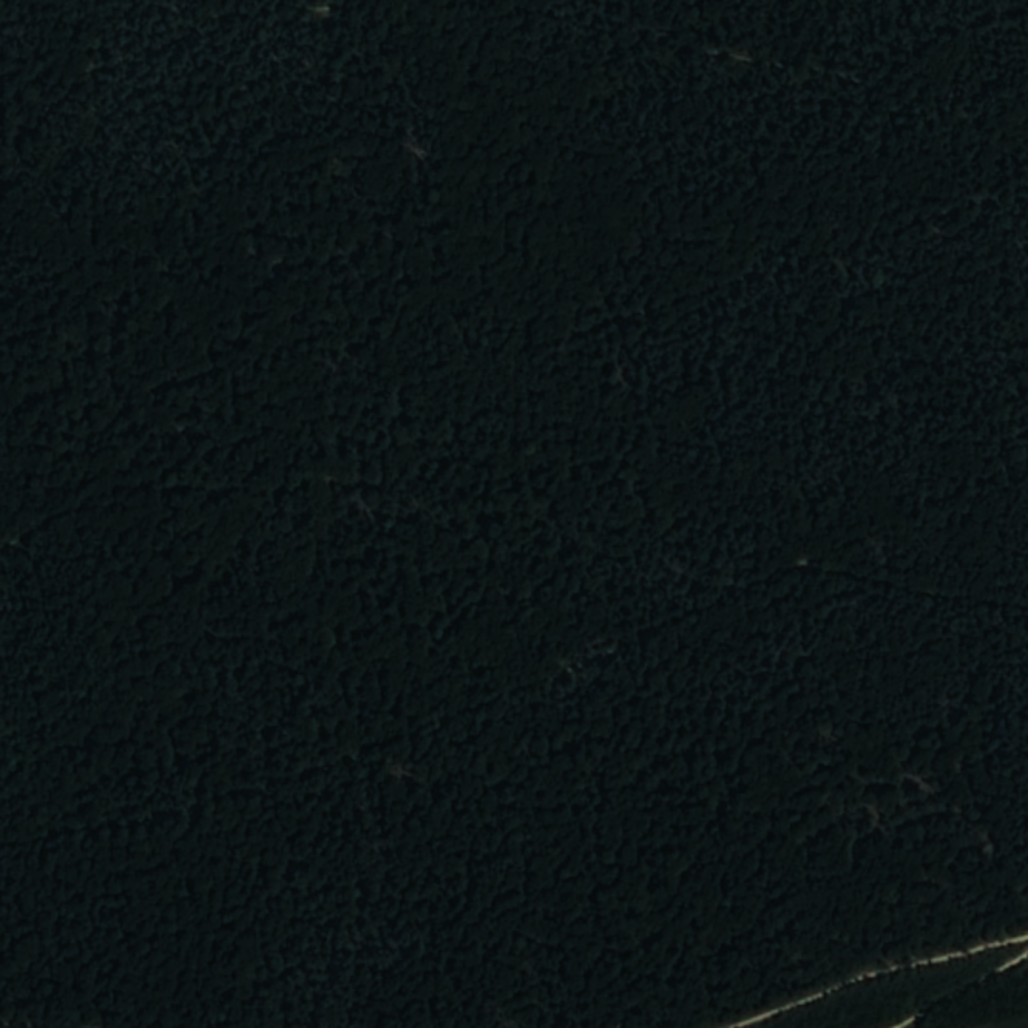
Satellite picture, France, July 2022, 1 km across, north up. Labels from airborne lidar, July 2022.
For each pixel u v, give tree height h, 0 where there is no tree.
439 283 24
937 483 27
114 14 23
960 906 23
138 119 27
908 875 22
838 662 25
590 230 23
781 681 17
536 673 26
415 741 26
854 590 19
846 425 21
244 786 16
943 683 25
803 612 20
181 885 17
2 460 22
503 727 24
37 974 25
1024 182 28
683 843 26
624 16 25
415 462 18
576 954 26
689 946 21
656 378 31
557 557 7
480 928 25
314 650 28
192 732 29
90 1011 24
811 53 8
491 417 24
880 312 25
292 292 26
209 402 25
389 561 24
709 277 25
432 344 17
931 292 28
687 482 23
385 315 23
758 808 27
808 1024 18
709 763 27
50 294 28
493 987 28
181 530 29
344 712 26
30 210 27
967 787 26
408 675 23
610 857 29
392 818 29
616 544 19
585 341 21
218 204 25
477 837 25
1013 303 20
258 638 23
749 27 26
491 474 27
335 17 10
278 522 30
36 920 25
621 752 25
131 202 29
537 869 24
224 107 20
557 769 25
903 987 12
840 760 27
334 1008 25
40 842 12
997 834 27
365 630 10
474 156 28
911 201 18
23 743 19
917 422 32
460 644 25
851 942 23
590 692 13
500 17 23
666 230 26
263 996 23
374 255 21
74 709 23
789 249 23
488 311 23
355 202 27
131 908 27
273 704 30
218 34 26
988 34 19
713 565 29
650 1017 18
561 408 25
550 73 22
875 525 24
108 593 28
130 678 19
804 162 22
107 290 24
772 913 24
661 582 11
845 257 22
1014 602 18
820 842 24
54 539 22
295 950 32
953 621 31
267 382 26
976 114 22
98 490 22
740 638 24
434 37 25
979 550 29
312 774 20
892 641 24
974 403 19
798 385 21
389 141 23
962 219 21
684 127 29
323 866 25
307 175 22
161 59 27
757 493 25
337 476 28
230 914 30
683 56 17
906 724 31
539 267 25
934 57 26
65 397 28
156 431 21
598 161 31
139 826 29
